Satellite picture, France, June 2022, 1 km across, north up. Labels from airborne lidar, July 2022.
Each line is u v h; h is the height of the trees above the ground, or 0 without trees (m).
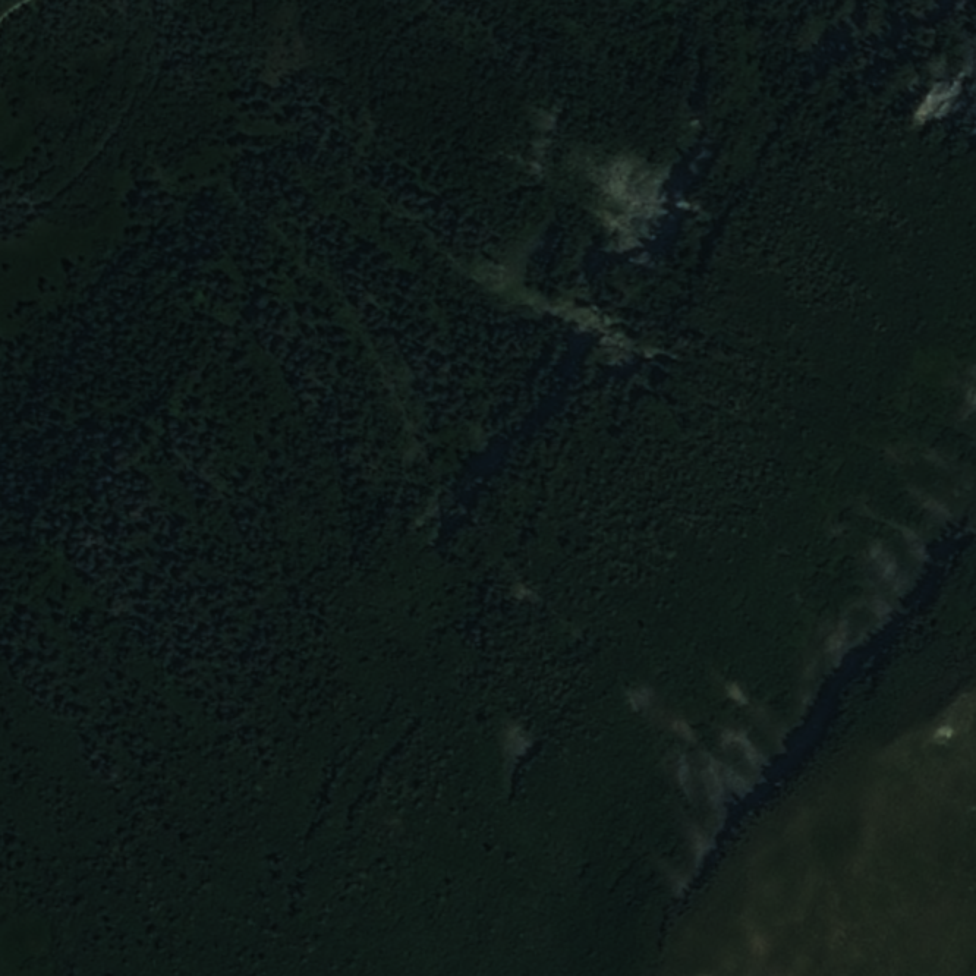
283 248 8
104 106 14
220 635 17
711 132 9
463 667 6
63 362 14
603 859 6
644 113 7
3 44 23
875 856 0
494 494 12
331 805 18
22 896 7
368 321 17
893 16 7
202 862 7
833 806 0
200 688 6
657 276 7
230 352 11
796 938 0
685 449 6
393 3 9
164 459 6
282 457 15
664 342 7
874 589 0
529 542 10
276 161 8
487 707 8
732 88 9
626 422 10
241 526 9
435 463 13
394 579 8
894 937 0
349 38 16
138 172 10
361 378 6
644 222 0
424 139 12
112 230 0
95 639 14
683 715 0
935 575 0
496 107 10
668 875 0
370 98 6
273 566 7
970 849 0
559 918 6
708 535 6
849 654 0
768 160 9
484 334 8
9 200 29
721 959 0
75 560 22
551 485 7
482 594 12
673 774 0
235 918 7
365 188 7
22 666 26
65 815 8
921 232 7
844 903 0
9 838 5
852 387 7
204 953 7
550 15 7
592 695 6
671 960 0
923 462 0
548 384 23
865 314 6
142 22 13
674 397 9
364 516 15
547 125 0
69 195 11
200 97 14
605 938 6
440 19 8
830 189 6
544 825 5
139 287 10
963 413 0
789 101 7
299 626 6
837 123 6
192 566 15
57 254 0
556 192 9
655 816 5
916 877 0
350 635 7
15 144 0
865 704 5
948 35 6
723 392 7
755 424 6
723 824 0
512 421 18
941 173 8
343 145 25
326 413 10
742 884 0
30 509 9
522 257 0
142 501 23
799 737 0
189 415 9
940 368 0
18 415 7
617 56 15
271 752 8
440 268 6
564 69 14
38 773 7
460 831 7
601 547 7
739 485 7
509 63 8
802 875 0
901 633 7
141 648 8
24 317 11
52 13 26
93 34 7
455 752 6
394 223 7
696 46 9
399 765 10
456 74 14
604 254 8
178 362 8
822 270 7
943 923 0
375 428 10
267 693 7
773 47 10
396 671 6
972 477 0
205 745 6
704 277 15
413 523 18
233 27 14
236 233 10
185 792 8
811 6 6
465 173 11
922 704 0
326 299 14
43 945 0
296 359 20
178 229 8
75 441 19
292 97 25
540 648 8
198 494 8
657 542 9
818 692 0
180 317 9
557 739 9
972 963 0
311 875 6
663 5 12
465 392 10
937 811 0
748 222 8
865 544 0
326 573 11
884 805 0
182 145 12
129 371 9
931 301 5
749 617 6
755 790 0
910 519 5
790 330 9
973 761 0
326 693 8
